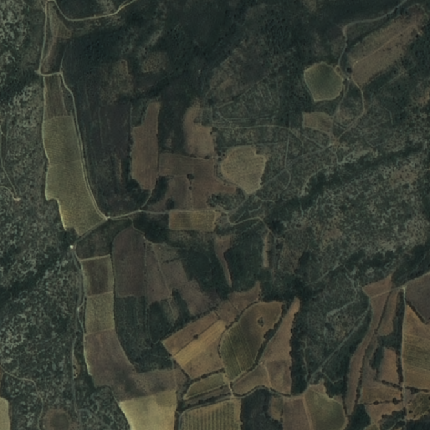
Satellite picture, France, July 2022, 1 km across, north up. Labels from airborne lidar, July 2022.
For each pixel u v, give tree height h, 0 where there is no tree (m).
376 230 0
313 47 0
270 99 0
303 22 0
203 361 0
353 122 0
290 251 0
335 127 0
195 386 0
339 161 0
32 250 0
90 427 0
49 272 0
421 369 0
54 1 0
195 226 0
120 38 6
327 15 0
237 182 0
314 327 0
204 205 0
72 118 0
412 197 0
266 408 8
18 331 0
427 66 9
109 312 0
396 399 8
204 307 0
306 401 0
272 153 0
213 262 5
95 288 0
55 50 0
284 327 0
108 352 0
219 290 7
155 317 0
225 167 0
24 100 0
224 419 0
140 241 0
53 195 0
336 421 0
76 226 0
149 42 0
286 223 0
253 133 0
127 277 0
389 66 0
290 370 6
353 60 0
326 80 0
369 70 0
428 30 8
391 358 0
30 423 0
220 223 0
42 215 0
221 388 6
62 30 0
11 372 0
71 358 0
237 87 0
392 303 0
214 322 0
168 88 0
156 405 0
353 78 0
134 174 0
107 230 0
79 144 0
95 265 0
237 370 0
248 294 0
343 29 0
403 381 7
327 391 6
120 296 0
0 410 0
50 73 0
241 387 0
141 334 0
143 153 0
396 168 0
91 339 0
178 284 0
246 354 0
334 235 0
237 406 0
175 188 0
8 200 0
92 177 0
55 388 0
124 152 0
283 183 0
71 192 0
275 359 0
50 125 0
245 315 0
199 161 0
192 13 0
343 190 0
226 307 0
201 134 0
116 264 0
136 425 0
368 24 0
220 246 0
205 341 0
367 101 0
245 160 0
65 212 0
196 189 0
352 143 0
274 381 0
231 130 0
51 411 0
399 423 7
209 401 6
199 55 7
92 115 0
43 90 0
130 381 0
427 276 0
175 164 0
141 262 0
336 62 0
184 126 0
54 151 0
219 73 0
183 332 0
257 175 0
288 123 6
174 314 0
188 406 7
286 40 13
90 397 0
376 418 0
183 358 0
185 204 0
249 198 6
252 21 0
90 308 0
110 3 0
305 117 0
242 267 6
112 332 0
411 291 0
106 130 0
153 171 0
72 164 0
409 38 0
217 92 0
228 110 0
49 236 0
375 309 0
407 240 0
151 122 0
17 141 0
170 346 0
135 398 0
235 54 0
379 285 0
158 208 0
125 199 0
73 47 0
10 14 0
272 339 0
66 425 0
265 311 0
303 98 10
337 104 0
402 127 0
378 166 0
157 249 0
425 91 0
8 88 8
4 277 0
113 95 0
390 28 0
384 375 0
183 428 0
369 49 0
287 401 0
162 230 7
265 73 0
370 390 0
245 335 0
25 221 0
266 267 0
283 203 0
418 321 0
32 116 0
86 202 0
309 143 0
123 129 0
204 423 0
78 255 0
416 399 0
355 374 0
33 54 0
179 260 0
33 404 0
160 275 0
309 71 0
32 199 6
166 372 0
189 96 0
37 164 0
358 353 0
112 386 0
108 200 0
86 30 0
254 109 0
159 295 0
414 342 0
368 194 0
